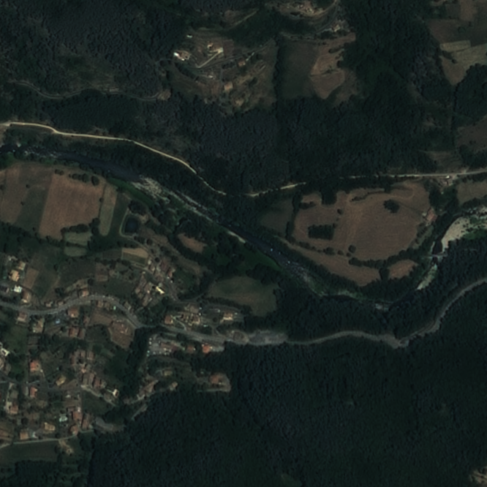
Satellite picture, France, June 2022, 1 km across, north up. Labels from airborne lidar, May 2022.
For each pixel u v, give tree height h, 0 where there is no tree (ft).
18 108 29
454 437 46
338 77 0
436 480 63
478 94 50
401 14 33
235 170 32
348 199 0
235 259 43
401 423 53
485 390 64
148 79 45
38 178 0
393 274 0
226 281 0
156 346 0
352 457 41
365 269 0
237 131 63
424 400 61
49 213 0
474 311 51
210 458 73
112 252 0
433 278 39
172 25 62
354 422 72
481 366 54
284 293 44
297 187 37
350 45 27
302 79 0
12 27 73
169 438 69
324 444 54
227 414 68
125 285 0
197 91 0
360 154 22
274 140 59
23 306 0
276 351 90
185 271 0
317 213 0
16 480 59
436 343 49
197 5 59
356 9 23
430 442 63
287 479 0
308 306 90
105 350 0
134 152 38
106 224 0
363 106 22
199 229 30
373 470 33
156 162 39
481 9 0
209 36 0
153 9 49
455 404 62
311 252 0
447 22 0
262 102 20
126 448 45
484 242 57
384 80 37
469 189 0
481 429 60
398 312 59
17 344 0
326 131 42
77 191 0
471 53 0
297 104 42
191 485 75
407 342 0
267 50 0
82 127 85
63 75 48
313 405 89
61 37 57
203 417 56
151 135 25
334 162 25
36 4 62
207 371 24
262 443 69
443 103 36
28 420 33
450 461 49
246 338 0
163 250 39
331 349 39
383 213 0
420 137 35
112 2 86
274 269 46
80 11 69
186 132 51
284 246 49
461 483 46
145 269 0
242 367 83
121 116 107
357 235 0
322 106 63
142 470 50
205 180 34
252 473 69
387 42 56
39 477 45
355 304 134
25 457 0
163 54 58
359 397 50
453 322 18
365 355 32
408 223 0
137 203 99
